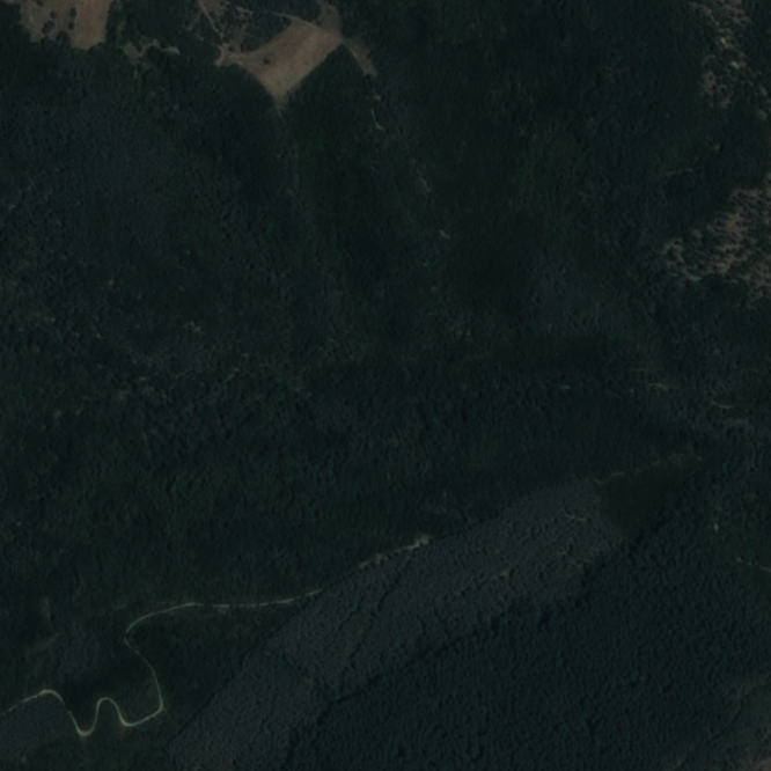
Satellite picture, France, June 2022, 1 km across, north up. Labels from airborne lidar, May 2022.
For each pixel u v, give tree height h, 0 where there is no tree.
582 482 17
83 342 16
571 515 19
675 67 17
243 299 16
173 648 13
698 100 12
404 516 13
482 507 14
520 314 10
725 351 14
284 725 19
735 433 14
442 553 22
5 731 8
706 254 20
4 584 22
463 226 10
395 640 23
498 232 7
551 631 32
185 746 18
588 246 13
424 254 8
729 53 14
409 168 7
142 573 8
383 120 10
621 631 32
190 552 10
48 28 12
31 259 12
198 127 17
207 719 19
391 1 14
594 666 32
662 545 26
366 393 13
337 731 30
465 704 28
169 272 17
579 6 12
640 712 27
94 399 8
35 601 7
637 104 15
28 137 21
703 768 11
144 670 6
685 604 24
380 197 10
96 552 13
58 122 20
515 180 10
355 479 23
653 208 15
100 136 20
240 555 9
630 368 18
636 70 16
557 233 13
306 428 25
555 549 21
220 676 10
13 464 9
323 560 12
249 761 22
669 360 14
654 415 23
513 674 31
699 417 17
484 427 18
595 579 24
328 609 18
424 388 14
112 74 12
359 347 11
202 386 15
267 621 12
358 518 9
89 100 21
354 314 10
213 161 14
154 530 18
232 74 8
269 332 15
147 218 15
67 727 7
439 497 15
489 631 27
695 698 29
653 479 8
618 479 5
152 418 17
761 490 19
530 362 9
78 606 6
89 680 12
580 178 15
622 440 15
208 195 13
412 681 33
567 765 27
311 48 0
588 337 9
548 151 17
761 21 17
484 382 18
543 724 24
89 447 10
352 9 6
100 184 16
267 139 6
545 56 10
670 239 12
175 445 21
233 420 14
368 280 10
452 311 14
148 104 14
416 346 7
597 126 17
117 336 11
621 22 12
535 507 20
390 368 10
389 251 8
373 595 20
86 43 0
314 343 9
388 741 26
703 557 30
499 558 19
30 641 10
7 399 13
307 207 13
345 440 18
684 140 13
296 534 19
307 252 11
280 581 8
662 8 12
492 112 15
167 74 7
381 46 7
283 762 20
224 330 12
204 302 13
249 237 14
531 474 16
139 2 11
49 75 11
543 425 18
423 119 9
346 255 14
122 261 14
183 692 7
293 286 12
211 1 0
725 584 32
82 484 19
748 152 19
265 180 9
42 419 13
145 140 16
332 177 8
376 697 34
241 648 13
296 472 19
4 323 14
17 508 19
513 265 7
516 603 16
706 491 17
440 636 25
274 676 22
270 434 20
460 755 30
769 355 11
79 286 16
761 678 16
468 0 17
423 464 19
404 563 17
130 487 23
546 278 10
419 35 10
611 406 20
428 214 6
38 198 20
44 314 7
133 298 15
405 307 13
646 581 31
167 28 12
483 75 11
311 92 9
